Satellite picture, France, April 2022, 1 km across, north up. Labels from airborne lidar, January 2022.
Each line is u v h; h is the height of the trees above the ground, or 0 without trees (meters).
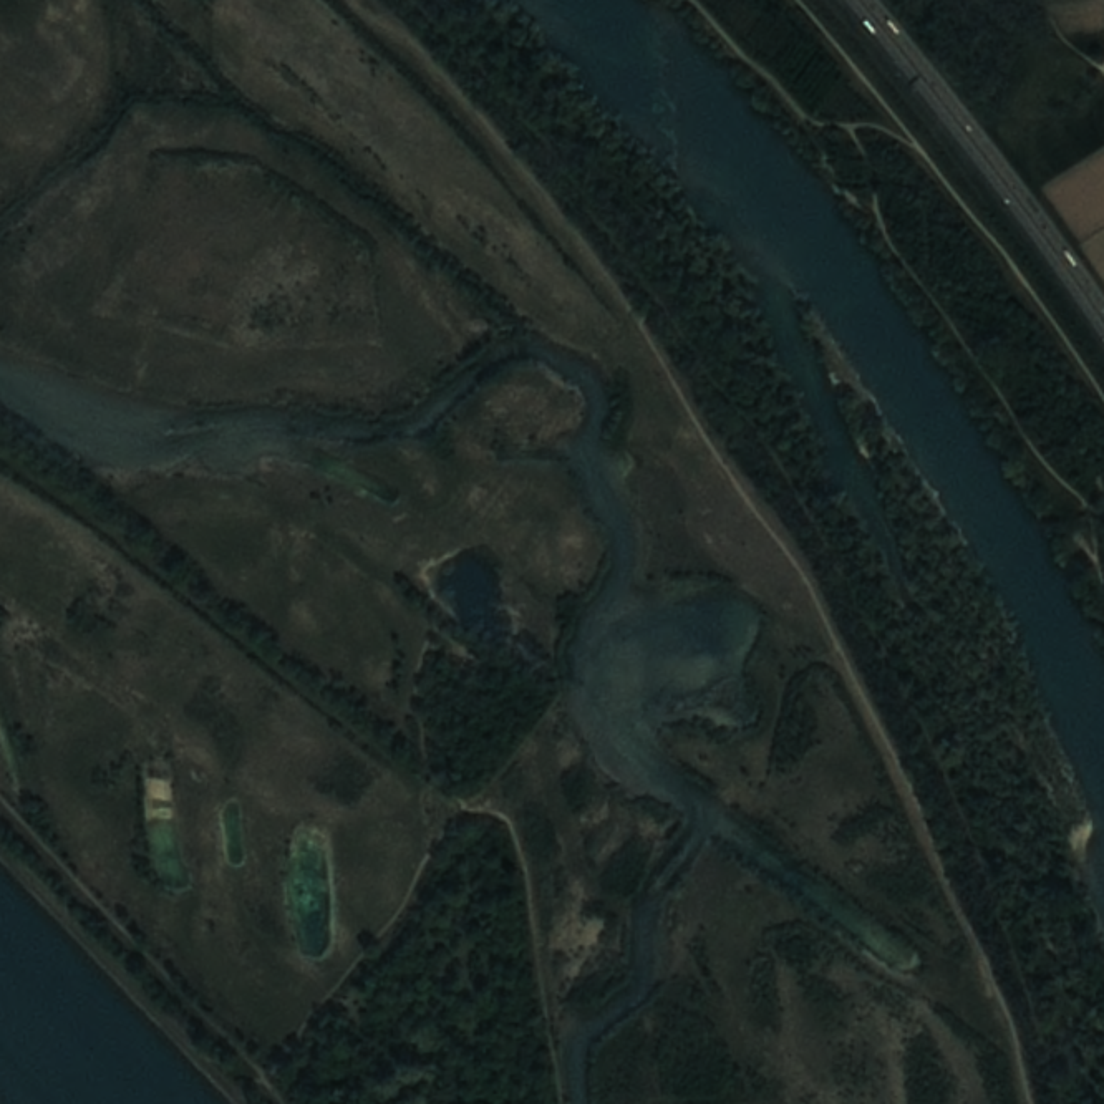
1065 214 0
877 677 9
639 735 0
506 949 10
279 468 0
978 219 0
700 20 11
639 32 0
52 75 0
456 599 0
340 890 0
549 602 0
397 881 0
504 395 0
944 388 0
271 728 0
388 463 0
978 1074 0
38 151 0
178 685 0
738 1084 0
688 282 10
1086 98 8
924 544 7
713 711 0
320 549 0
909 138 0
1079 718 0
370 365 0
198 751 0
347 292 0
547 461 0
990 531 0
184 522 0
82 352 0
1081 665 0
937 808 18
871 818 0
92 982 0
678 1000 0
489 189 0
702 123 0
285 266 0
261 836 0
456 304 0
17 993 0
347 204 0
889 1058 0
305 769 0
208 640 0
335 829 0
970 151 0
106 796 0
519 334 7
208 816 0
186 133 0
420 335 0
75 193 0
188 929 0
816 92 0
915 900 0
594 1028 0
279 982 0
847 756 0
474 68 16
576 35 0
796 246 0
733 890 0
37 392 0
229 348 0
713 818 0
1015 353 19
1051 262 0
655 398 0
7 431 17
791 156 0
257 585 0
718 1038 0
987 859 19
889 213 0
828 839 0
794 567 0
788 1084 0
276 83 0
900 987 0
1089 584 20
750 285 0
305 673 12
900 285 16
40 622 0
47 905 0
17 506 0
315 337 0
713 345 22
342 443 0
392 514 0
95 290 0
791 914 0
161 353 0
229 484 0
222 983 0
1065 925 20
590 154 24
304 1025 0
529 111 18
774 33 0
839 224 0
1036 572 0
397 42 0
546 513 0
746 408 17
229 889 0
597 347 0
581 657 0
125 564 0
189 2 0
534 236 0
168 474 0
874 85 0
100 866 0
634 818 0
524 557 0
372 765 0
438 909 21
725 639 0
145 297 0
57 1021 0
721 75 0
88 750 0
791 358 0
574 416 0
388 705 0
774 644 0
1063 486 0
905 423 0
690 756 0
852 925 0
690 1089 0
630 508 0
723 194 0
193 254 0
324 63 0
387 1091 17
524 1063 9
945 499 0
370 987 18
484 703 14
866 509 0
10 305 0
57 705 0
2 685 0
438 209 0
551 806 0
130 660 0
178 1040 0
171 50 0
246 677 0
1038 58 0
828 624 0
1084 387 7
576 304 0
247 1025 0
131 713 0
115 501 17
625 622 0
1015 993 6
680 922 0
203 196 0
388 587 0
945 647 13
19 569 0
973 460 0
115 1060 0
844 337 0
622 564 0
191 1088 0
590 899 0
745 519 0
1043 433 13
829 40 0
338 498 0
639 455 0
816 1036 0
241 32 0
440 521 0
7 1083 0
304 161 0
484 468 0
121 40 0
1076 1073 32
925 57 0
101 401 0
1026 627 0
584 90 18
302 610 0
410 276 0
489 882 10
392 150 0
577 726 0
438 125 0
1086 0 0
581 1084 0
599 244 16
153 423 0
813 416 0
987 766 12
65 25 0
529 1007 10
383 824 0
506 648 16
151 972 21
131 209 0
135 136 0
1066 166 0
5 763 0
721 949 0
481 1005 21
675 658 0
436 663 7
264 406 0
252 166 0
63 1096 0
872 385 0
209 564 0
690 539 0
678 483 0
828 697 0
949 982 0
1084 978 9
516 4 9
